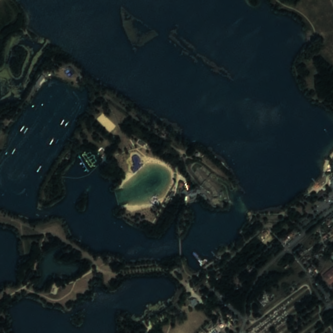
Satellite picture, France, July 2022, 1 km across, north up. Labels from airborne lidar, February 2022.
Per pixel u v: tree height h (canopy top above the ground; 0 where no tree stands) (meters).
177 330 0
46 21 0
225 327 0
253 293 17
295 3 16
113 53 0
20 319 0
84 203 13
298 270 0
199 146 12
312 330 0
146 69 0
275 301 0
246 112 0
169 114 0
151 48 0
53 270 0
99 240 0
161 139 10
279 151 0
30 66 0
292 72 11
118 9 0
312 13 0
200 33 0
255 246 8
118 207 8
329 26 0
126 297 0
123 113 0
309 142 0
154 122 32
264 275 8
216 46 0
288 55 0
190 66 0
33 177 0
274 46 0
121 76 0
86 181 0
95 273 11
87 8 0
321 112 0
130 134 11
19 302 0
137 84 0
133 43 0
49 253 0
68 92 0
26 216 0
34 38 6
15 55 15
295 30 0
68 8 0
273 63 0
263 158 0
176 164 13
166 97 0
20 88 0
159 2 0
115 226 0
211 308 17
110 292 0
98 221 0
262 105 0
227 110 0
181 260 21
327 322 12
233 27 0
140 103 0
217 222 0
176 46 0
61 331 0
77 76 0
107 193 0
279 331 0
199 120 0
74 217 0
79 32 0
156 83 0
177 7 0
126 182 0
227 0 0
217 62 0
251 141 0
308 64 0
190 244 0
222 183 0
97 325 0
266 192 0
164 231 12
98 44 0
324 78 17
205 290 19
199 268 0
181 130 0
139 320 0
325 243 6
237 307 7
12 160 0
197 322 0
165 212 17
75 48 0
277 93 0
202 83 0
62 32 0
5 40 14
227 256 18
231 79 0
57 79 0
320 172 0
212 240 0
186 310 0
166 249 0
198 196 7
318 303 15
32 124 0
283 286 6
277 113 0
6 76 0
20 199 0
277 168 0
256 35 0
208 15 0
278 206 0
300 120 0
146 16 0
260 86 0
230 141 0
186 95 0
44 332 0
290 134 0
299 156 0
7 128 15
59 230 0
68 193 0
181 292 0
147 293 0
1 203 0
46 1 0
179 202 14
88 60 0
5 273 0
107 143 0
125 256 0
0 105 16
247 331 10
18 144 0
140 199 0
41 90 0
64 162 10
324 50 0
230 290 14
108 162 22
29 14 0
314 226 9
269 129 0
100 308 0
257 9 0
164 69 0
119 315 12
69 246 9
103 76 0
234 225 0
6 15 0
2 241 0
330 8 0
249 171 0
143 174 0
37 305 0
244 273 19
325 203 0
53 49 13
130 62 0
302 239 0
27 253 0
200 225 0
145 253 0
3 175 0
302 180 0
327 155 0
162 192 0
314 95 7
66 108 0
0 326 14
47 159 0
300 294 0
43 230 0
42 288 7
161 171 0
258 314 13
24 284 16
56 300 0
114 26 0
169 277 9
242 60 0
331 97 18
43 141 0
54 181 11
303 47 10
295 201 13
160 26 0
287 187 0
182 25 0
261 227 17
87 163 0
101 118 0
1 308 17
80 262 15
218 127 0
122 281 11
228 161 0
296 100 0
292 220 9
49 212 0
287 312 0
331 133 0
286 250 0
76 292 0
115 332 0
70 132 0
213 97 0
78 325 11
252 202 0
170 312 15
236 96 0
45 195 0
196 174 0
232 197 0
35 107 0
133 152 0
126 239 0
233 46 0
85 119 18
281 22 0
